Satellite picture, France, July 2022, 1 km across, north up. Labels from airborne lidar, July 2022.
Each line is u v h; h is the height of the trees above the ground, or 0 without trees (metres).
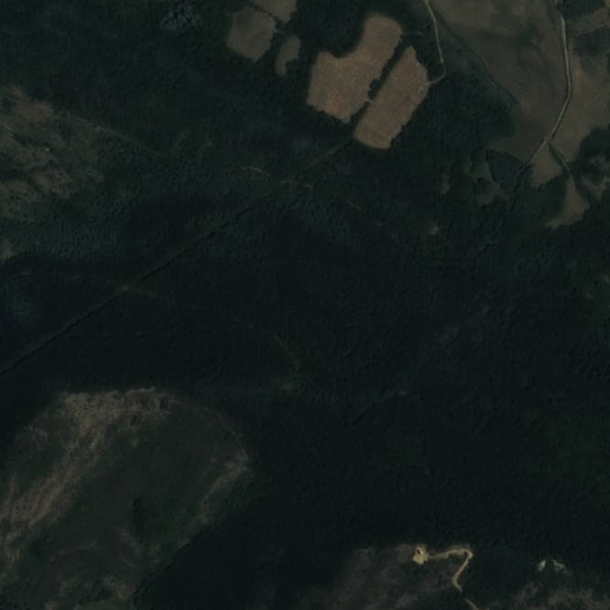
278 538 14
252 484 9
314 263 16
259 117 8
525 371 18
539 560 10
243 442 8
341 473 15
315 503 19
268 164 7
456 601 9
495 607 8
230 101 6
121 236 14
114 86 6
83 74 6
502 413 16
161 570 8
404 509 24
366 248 19
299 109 18
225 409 8
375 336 23
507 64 0
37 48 7
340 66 0
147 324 18
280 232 16
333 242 21
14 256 7
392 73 0
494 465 18
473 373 13
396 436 14
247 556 17
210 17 7
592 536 21
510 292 21
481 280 12
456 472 26
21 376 16
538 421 13
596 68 0
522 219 15
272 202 13
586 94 0
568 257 15
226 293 18
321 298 17
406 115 0
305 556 11
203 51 14
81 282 8
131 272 16
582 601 8
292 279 18
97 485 0
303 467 19
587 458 8
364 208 8
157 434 0
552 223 0
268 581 8
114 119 6
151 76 8
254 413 12
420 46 10
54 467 0
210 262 14
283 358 18
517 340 16
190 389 13
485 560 9
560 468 14
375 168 16
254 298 18
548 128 0
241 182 15
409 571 10
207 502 7
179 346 18
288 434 16
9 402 15
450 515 18
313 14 17
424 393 14
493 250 12
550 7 0
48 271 14
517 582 11
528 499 18
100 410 0
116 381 18
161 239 10
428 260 13
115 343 22
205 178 15
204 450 0
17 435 6
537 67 0
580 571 15
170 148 9
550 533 24
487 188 17
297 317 16
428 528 23
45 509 0
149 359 20
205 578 15
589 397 19
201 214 11
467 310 8
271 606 9
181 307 11
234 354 20
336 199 11
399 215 6
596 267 12
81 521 0
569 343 22
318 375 23
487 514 19
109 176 6
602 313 8
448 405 15
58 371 15
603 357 24
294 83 9
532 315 19
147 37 10
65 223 10
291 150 8
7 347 12
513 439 22
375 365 26
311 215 16
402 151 11
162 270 16
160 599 17
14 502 0
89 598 9
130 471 0
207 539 16
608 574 13
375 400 9
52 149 8
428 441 17
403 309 18
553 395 10
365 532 21
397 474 15
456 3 0
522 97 0
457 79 12
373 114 0
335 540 16
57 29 7
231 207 13
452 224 16
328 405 13
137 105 5
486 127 13
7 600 14
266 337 14
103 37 11
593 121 0
